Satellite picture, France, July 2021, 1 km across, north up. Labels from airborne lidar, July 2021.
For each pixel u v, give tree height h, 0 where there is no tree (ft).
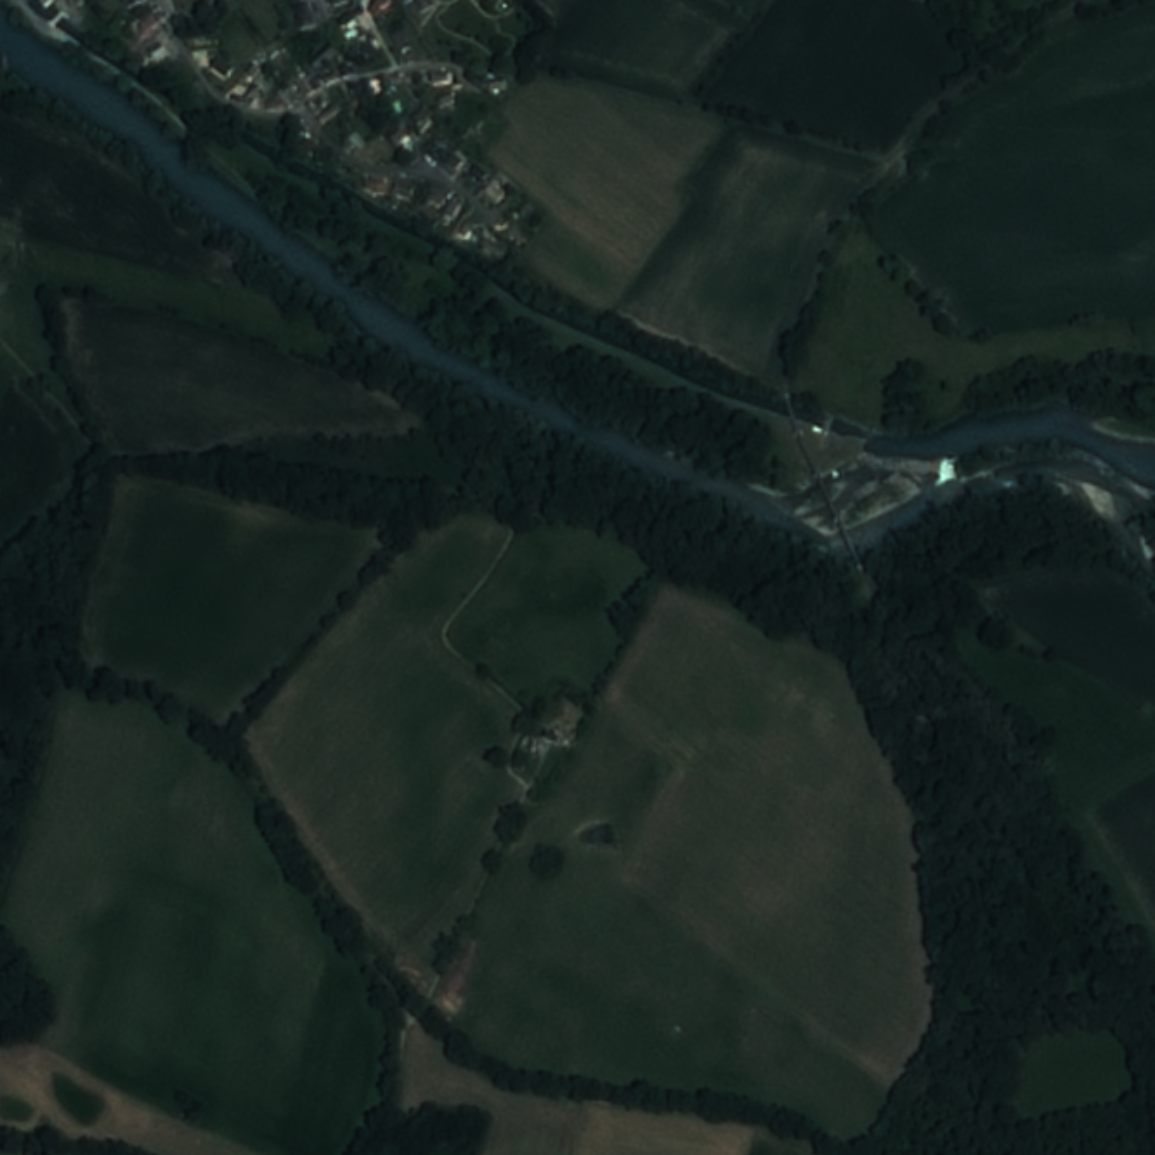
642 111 0
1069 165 0
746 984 0
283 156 51
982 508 99
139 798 0
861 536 0
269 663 0
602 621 0
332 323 82
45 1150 91
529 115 0
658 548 72
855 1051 0
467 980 0
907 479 0
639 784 0
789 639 67
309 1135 0
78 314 0
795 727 0
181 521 0
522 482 91
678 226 0
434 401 70
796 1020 0
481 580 0
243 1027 0
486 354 68
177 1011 0
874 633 83
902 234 0
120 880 0
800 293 0
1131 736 0
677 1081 0
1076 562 80
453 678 0
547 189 0
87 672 38
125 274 0
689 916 0
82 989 0
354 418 0
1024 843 66
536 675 0
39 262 0
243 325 0
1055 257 0
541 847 21
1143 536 34
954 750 82
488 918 0
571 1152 0
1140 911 0
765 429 84
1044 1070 0
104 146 53
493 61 31
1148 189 0
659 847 0
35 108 66
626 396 83
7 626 99
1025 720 58
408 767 0
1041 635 0
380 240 64
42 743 55
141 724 0
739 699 0
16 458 0
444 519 48
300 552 0
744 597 38
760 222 0
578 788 0
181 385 0
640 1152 0
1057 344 0
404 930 0
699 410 81
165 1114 0
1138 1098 63
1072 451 19
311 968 0
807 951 0
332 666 0
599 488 105
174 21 25
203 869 0
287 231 37
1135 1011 85
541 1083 56
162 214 0
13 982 114
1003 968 83
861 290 0
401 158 47
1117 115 0
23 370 0
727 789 0
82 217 0
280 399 0
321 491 79
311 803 0
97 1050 0
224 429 0
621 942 0
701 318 0
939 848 68
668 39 0
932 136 27
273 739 0
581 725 30
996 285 0
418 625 0
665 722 0
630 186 0
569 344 0
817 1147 56
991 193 0
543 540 0
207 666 0
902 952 0
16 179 0
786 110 0
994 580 46
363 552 0
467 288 68
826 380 0
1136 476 0
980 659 0
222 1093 0
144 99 42
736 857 0
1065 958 21
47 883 0
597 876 0
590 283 0
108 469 74
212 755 52
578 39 0
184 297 0
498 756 65
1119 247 0
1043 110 0
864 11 0
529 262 0
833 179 0
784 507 0
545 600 0
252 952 0
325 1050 0
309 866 24
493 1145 0
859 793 0
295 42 22
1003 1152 38
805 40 0
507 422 74
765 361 0
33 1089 0
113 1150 61
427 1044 0
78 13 0
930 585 81
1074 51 0
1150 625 0
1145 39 0
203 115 25
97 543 71
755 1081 0
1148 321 0
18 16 25
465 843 0
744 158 0
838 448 0
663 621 0
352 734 0
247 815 0
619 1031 0
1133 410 52
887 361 0
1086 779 0
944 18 36
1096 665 0
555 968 0
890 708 72
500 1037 0
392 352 64
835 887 0
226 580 0
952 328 48
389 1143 66
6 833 86
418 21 0
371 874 0
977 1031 89
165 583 0
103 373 0
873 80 0
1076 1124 62
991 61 58
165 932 0
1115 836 0
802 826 0
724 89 0
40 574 60
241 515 0
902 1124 56
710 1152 0
